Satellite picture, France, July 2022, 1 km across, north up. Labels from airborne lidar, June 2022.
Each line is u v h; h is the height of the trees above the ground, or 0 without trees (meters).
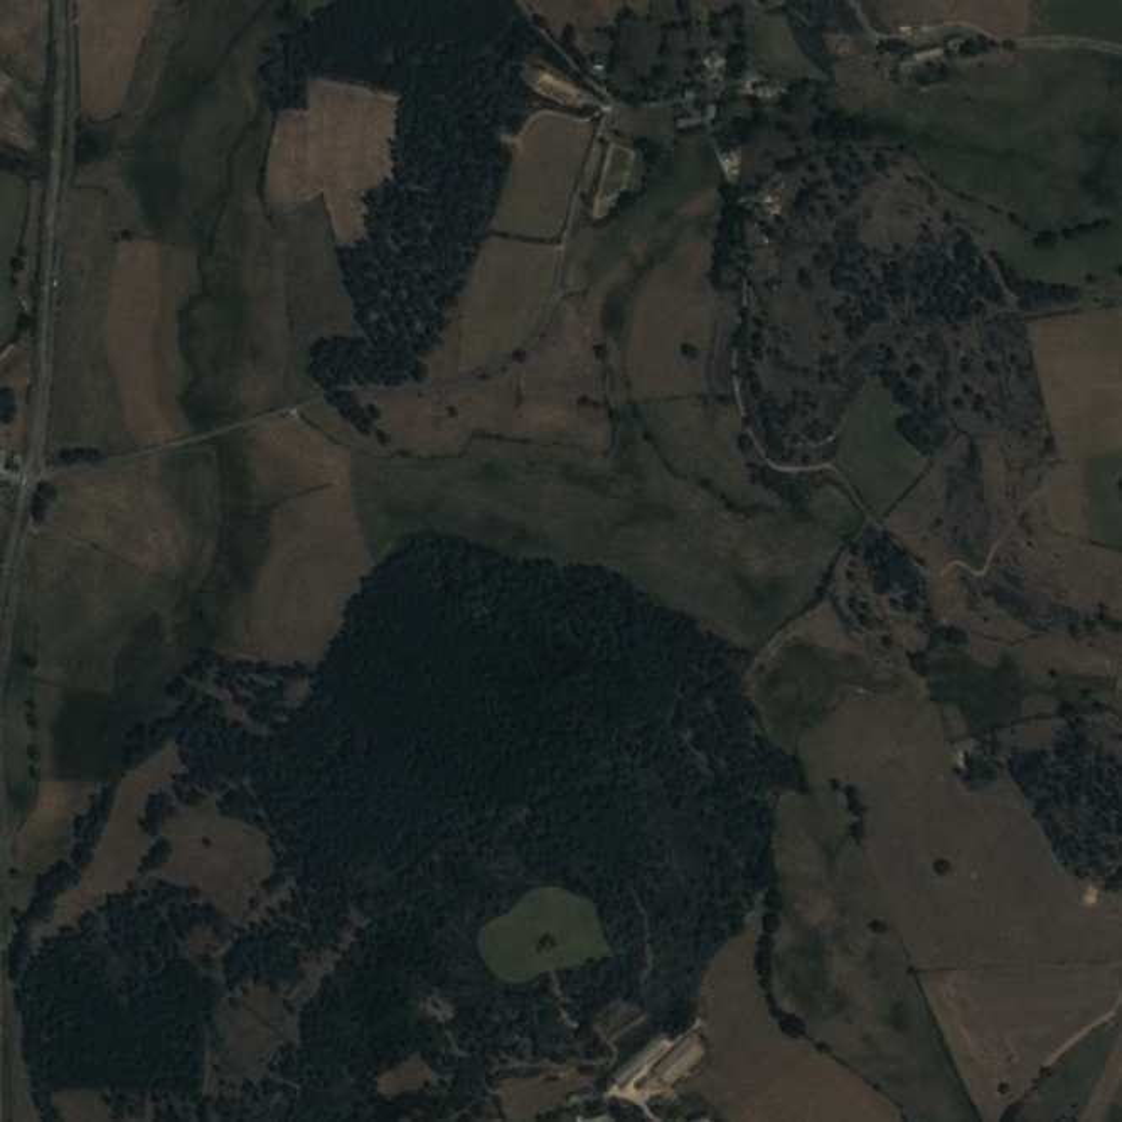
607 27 7
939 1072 0
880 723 0
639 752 17
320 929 16
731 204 11
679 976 0
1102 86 0
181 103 0
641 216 0
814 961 0
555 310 0
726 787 15
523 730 14
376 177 0
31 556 0
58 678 0
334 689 14
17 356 0
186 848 0
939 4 0
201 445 0
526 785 14
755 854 9
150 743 19
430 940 12
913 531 0
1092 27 0
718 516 0
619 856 13
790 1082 0
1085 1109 0
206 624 0
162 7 0
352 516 0
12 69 0
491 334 0
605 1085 8
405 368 18
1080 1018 0
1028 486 0
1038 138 0
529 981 0
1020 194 0
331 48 10
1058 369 0
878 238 0
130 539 0
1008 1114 8
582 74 14
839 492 0
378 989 12
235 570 0
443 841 14
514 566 15
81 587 0
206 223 0
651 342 0
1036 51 0
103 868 0
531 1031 14
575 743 14
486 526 0
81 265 0
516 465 0
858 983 0
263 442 0
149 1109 0
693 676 15
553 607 22
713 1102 0
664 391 0
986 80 0
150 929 16
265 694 17
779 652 0
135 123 0
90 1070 17
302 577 0
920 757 0
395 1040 6
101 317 0
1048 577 0
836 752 0
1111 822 14
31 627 0
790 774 22
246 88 0
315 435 0
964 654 0
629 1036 0
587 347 0
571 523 0
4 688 0
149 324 0
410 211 22
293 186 0
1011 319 0
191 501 0
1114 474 0
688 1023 17
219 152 0
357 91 0
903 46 10
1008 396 0
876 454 0
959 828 0
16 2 0
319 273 0
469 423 0
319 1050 19
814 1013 0
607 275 0
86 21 0
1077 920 0
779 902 21
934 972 0
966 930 0
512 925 0
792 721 0
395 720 13
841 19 0
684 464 0
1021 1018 0
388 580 13
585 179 0
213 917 18
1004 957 0
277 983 11
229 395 0
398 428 0
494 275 0
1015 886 0
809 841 0
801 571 0
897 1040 0
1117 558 0
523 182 0
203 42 0
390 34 11
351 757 15
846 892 0
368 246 16
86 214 0
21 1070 0
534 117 0
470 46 13
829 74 0
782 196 0
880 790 0
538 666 14
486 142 12
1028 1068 0
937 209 0
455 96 10
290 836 14
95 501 0
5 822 0
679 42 0
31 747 7
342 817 18
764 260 0
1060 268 0
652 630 19
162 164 0
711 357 0
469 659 12
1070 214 0
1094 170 0
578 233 0
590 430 0
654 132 0
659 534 0
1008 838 0
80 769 0
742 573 0
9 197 0
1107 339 0
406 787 17
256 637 0
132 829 0
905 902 0
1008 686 0
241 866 0
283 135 0
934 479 0
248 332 0
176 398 0
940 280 6
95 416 0
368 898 12
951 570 0
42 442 0
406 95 11
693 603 0
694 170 0
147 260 0
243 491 0
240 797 18
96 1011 14
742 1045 0
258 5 0
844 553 0
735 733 22
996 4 0
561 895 0
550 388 0
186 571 0
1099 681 0
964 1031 0
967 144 0
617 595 17
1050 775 17
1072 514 0
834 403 0
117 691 0
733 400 6
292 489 0
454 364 0
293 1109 9
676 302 0
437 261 17
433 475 0
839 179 12
